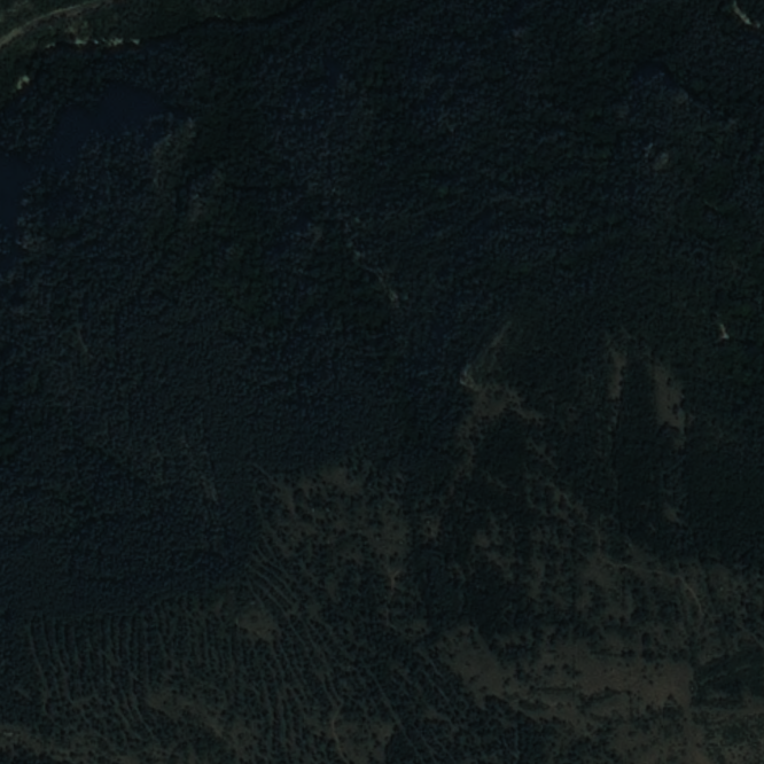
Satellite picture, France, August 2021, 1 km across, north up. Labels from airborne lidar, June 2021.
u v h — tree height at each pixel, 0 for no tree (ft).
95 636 31
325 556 34
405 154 48
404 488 24
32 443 39
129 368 36
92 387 47
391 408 49
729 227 43
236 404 43
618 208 43
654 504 17
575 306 25
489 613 29
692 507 35
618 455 29
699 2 68
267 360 24
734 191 42
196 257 35
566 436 28
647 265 24
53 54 40
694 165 51
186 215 20
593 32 22
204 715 0
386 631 29
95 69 44
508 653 20
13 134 31
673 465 41
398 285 31
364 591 42
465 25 48
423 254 19
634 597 22
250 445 48
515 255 38
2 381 53
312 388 57
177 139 43
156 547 54
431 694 31
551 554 25
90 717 25
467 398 23
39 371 40
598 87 63
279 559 36
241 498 40
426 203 28
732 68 80
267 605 25
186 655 26
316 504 20
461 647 0
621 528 21
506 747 40
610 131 59
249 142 38
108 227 20
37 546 43
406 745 25
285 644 22
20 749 33
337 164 34
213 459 42
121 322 45
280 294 38
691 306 29
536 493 20
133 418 42
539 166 28
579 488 20
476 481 20
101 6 25
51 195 37
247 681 25
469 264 36
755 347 66
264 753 25
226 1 47
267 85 46
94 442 26
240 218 45
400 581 19
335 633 26
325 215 56
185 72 70
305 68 59
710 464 33
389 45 65
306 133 36
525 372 30
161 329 58
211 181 39
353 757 0
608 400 28
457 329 43
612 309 24
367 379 45
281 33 54
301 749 34
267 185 29
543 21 54
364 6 58
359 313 42
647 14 61
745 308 56
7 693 38
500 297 30
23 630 37
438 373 38
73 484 58
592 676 0
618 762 27
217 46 60
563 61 51
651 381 19
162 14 35
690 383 25
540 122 43
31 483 56
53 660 27
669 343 24
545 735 22
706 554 21
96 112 47
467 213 26
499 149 30
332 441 47
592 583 19
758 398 28
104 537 60
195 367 47
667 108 28
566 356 33
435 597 48
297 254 41
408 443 60
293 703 33
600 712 0
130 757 0
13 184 35
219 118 53
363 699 28
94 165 26
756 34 66
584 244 54
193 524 51
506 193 50
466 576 21
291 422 42
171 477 40
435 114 29
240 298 46
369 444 37
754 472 38
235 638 25
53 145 28
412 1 69
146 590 46
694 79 86
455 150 32
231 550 30
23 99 59
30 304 20
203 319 44
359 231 28
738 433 23
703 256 45
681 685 0
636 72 48
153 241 42
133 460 34
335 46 56
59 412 38
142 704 37
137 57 39
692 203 57
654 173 47
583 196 32
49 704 33
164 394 40
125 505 48
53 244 24
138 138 36
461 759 23
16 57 25
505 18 47
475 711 28
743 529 38
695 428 22
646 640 30
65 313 33
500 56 45
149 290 34
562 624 28
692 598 0
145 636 28
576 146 42
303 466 45
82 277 38
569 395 28
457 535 22
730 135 32
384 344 55
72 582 43
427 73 18
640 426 24
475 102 50
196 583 34
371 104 48
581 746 26
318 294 32
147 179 27
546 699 0
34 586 40
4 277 18
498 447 25
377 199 22
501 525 25
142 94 50
